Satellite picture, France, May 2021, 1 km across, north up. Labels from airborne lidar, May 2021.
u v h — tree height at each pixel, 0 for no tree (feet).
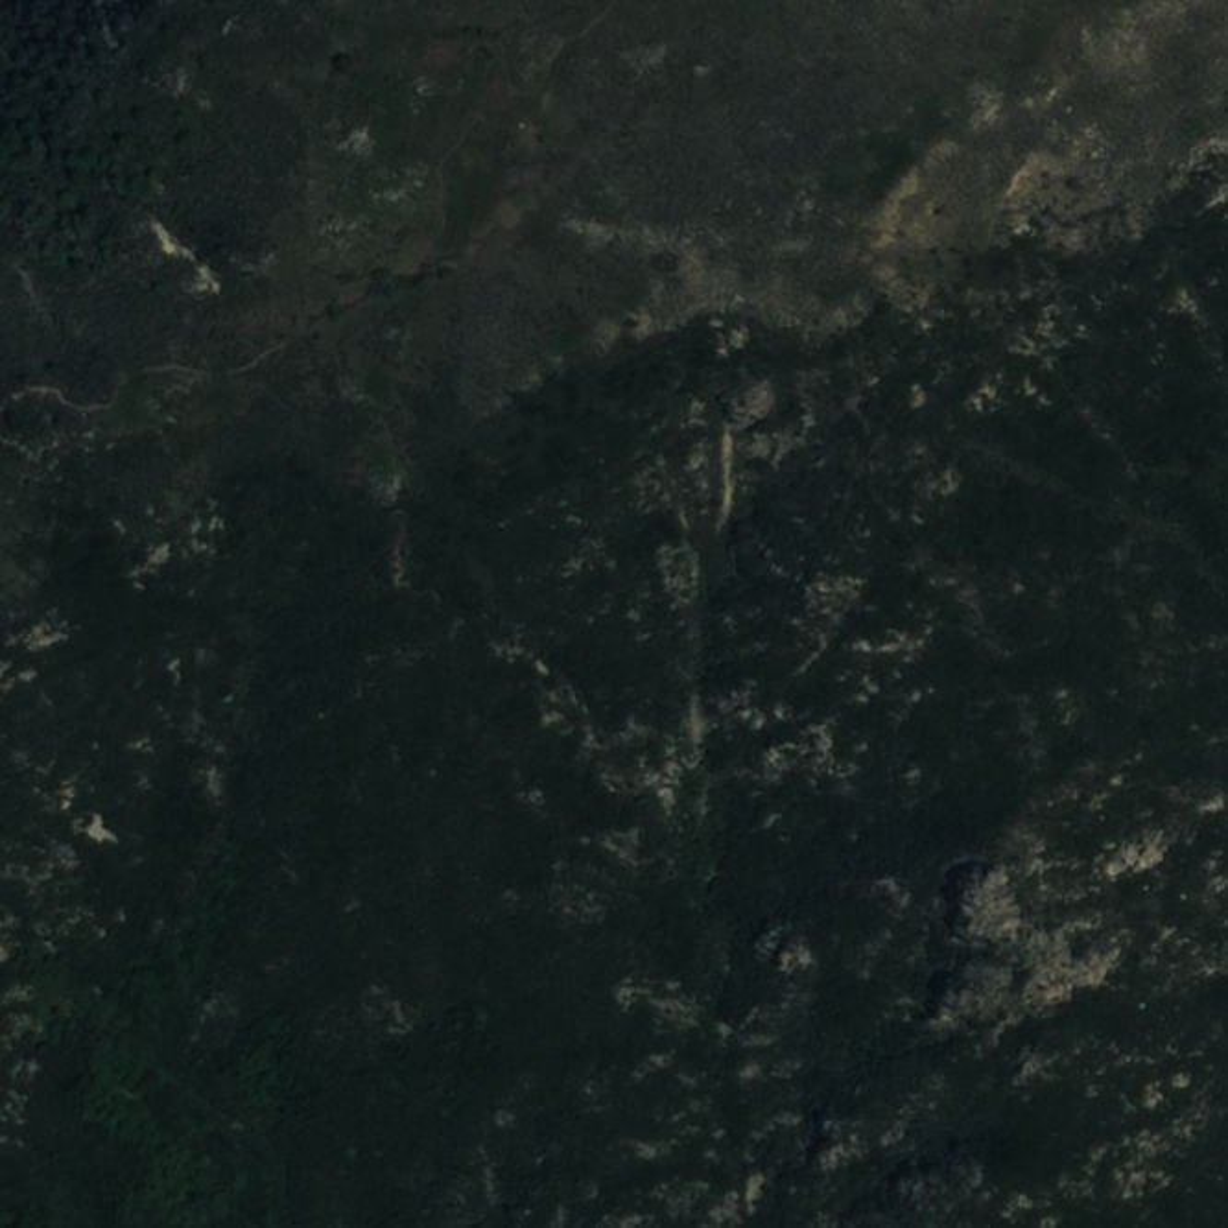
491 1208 20
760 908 22
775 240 0
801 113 0
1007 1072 18
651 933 21
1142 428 22
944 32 0
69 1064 26
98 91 27
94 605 24
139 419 0
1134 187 0
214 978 23
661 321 0
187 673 27
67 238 29
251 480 27
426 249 0
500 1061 21
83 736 19
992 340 17
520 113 0
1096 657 22
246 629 18
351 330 0
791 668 18
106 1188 25
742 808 23
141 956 24
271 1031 40
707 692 20
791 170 0
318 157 0
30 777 39
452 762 17
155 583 28
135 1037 33
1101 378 20
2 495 0
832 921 24
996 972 0
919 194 0
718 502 24
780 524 20
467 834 23
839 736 17
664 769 25
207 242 19
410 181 0
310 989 19
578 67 0
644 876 20
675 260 0
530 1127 19
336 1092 25
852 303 0
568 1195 20
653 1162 22
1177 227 17
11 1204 20
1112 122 0
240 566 18
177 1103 20
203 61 28
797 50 0
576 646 18
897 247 0
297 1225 20
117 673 19
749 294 0
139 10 41
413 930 21
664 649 21
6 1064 21
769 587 20
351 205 0
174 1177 55
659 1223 20
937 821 27
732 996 30
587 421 19
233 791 29
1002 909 0
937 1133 19
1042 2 0
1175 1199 19
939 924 20
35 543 19
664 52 0
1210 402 23
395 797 18
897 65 0
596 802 21
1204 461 27
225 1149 20
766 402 0
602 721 24
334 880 18
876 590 17
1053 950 0
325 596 20
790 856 23
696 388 22
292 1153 20
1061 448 17
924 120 0
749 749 20
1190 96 0
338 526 18
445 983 18
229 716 25
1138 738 23
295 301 0
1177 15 0
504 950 18
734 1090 22
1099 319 25
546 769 19
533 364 0
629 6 0
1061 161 0
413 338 0
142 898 19
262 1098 38
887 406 19
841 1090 21
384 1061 25
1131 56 0
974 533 19
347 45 0
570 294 0
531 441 21
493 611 20
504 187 0
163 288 29
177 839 26
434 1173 22
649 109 0
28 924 21
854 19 0
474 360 0
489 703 18
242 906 18
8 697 18
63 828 25
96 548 25
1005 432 19
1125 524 24
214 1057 23
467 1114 23
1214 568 19
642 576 21
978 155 0
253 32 0
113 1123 42
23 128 62
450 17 0
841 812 25
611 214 0
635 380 18
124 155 47
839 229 0
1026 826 0
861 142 0
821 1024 18
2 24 41
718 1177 20
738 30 0
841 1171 20
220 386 0
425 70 0
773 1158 18
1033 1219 18
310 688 21
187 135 49
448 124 0
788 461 18
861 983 18
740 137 0
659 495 20
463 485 24
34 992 19
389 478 0
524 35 0
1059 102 0
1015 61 0
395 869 25
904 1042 23
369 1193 17
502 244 0
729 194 0
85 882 21
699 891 28
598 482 22
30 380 26
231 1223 22
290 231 0
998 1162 21
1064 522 19
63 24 56
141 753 20
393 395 0
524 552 18
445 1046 41
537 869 17
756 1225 18
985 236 0
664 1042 28
